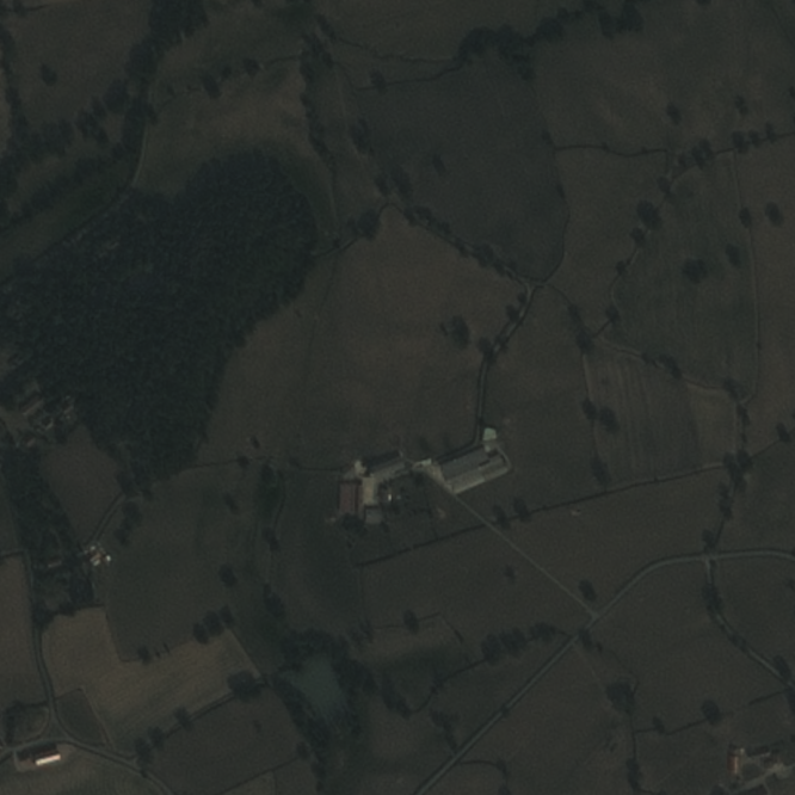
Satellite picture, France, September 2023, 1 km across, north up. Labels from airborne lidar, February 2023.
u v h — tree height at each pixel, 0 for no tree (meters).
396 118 0
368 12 0
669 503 0
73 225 0
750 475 0
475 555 0
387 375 0
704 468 0
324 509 0
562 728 0
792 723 0
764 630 0
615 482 0
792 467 0
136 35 0
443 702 0
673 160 0
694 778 0
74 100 0
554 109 0
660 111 0
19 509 19
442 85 0
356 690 15
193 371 14
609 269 0
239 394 0
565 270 0
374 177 0
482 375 0
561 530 0
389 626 0
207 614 0
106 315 15
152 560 0
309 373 0
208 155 0
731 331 0
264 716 0
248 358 0
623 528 0
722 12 0
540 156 0
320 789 10
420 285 0
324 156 13
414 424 0
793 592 10
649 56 0
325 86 0
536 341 0
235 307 19
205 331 17
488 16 0
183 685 0
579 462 0
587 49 0
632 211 0
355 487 0
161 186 0
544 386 0
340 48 0
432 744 0
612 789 0
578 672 0
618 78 0
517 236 0
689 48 0
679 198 0
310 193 0
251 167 18
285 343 0
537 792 0
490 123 0
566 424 0
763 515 0
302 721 22
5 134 0
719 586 0
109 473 0
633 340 0
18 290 13
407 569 0
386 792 0
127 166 0
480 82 0
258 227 13
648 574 0
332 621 0
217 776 0
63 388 19
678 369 14
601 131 0
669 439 0
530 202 0
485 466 0
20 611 0
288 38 0
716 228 0
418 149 0
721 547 0
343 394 0
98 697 0
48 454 0
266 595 8
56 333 26
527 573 0
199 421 14
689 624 0
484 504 0
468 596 0
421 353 0
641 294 0
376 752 0
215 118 0
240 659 0
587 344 15
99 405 22
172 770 0
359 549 0
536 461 0
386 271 0
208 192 25
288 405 0
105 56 0
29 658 0
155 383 18
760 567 0
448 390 0
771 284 0
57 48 0
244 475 0
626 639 0
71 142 16
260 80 0
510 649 15
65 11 0
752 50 0
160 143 0
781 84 0
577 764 0
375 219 15
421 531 0
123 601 0
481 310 0
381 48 0
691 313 0
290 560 0
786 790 0
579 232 0
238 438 0
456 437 0
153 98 0
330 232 0
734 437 0
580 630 0
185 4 26
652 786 0
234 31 0
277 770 0
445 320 0
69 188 12
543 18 0
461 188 0
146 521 0
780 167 0
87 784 0
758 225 0
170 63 0
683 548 0
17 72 0
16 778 0
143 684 0
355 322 0
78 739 0
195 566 0
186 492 0
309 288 0
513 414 0
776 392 0
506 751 0
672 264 0
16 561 0
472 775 0
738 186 0
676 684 0
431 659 0
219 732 0
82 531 0
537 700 0
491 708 0
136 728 0
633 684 0
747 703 0
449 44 0
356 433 0
